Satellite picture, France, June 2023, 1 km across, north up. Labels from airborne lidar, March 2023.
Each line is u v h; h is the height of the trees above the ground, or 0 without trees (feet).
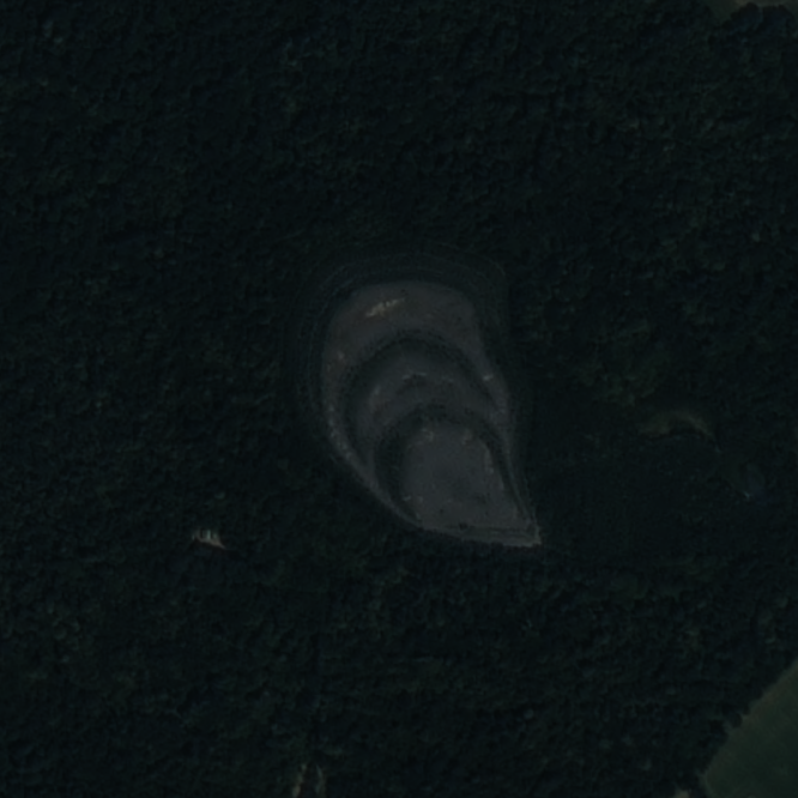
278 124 61
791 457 33
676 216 87
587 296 86
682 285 91
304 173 84
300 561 72
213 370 51
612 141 85
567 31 49
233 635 87
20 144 78
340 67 81
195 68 92
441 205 71
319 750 71
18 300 95
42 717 61
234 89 99
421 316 0
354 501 65
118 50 89
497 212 83
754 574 56
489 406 0
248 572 90
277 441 89
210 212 79
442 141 76
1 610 80
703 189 76
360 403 0
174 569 87
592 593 74
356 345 0
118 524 64
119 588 73
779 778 0
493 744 78
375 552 79
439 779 76
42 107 75
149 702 67
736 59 78
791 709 0
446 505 0
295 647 84
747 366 69
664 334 79
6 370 73
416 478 0
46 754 82
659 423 0
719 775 0
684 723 95
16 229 90
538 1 77
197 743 69
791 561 71
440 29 72
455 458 0
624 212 80
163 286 81
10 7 75
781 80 94
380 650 76
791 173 74
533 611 70
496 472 0
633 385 79
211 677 65
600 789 61
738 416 65
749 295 89
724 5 0
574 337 90
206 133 80
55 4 78
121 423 53
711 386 60
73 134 89
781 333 75
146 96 80
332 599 78
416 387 0
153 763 73
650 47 85
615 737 83
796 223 78
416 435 0
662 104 84
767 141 65
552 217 53
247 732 82
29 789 90
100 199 60
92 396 62
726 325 85
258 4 81
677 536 71
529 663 72
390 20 73
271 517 68
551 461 46
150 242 71
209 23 92
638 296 82
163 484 60
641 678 57
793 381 66
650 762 81
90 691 96
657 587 52
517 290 68
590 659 68
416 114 77
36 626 84
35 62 85
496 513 0
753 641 84
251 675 89
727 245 81
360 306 0
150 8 85
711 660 65
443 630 93
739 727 0
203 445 77
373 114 68
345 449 0
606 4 86
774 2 0
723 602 69
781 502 78
